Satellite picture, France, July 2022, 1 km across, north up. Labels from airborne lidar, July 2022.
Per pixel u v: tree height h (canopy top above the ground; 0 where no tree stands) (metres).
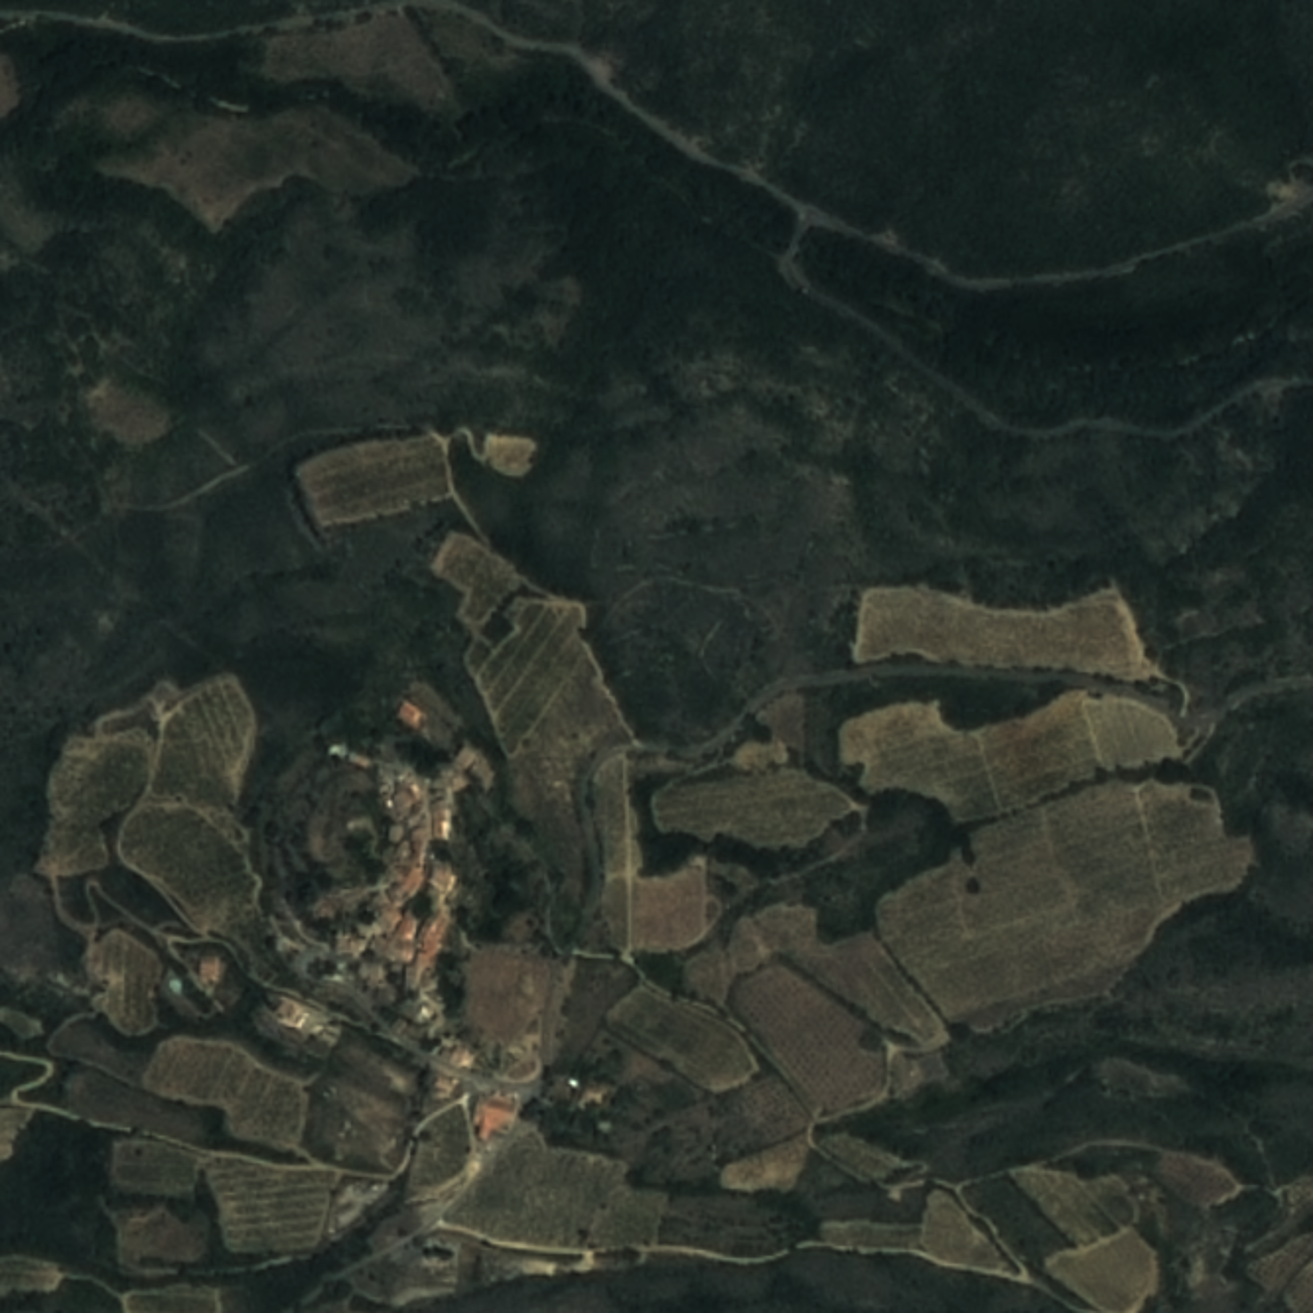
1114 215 6
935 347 7
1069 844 0
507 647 0
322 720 7
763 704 6
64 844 0
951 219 6
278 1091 0
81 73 25
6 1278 0
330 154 0
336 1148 0
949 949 0
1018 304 14
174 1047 0
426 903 13
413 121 6
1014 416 8
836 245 10
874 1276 0
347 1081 0
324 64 0
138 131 0
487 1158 0
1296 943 6
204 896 0
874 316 7
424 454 0
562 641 0
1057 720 0
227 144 0
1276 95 7
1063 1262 0
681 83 6
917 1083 0
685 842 11
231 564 0
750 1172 0
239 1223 0
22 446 7
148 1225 0
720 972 0
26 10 10
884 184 8
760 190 9
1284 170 10
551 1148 8
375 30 0
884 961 0
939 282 11
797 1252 6
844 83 8
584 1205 0
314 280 0
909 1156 8
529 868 6
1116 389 8
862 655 0
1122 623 0
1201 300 8
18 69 8
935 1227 0
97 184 7
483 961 0
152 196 8
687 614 0
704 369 0
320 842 0
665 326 6
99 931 7
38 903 0
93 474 6
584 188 8
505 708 0
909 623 0
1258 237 9
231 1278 8
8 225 0
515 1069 0
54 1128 7
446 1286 0
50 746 6
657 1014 0
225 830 0
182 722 0
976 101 6
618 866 0
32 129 8
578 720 0
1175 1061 9
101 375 6
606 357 5
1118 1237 0
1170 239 8
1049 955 0
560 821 0
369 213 7
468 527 10
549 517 0
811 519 0
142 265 6
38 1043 6
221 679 0
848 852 0
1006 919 0
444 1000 7
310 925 6
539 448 6
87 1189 6
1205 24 7
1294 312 10
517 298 6
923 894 0
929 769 0
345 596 0
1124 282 11
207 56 9
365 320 0
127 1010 0
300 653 6
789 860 7
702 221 7
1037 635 0
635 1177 9
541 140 8
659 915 0
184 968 7
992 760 0
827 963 0
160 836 0
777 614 0
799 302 6
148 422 0
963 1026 9
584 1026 0
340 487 0
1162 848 0
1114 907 0
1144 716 0
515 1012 0
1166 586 5
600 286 8
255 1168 0
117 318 6
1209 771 7
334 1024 7
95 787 0
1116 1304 0
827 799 0
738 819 0
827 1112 7
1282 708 6
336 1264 7
